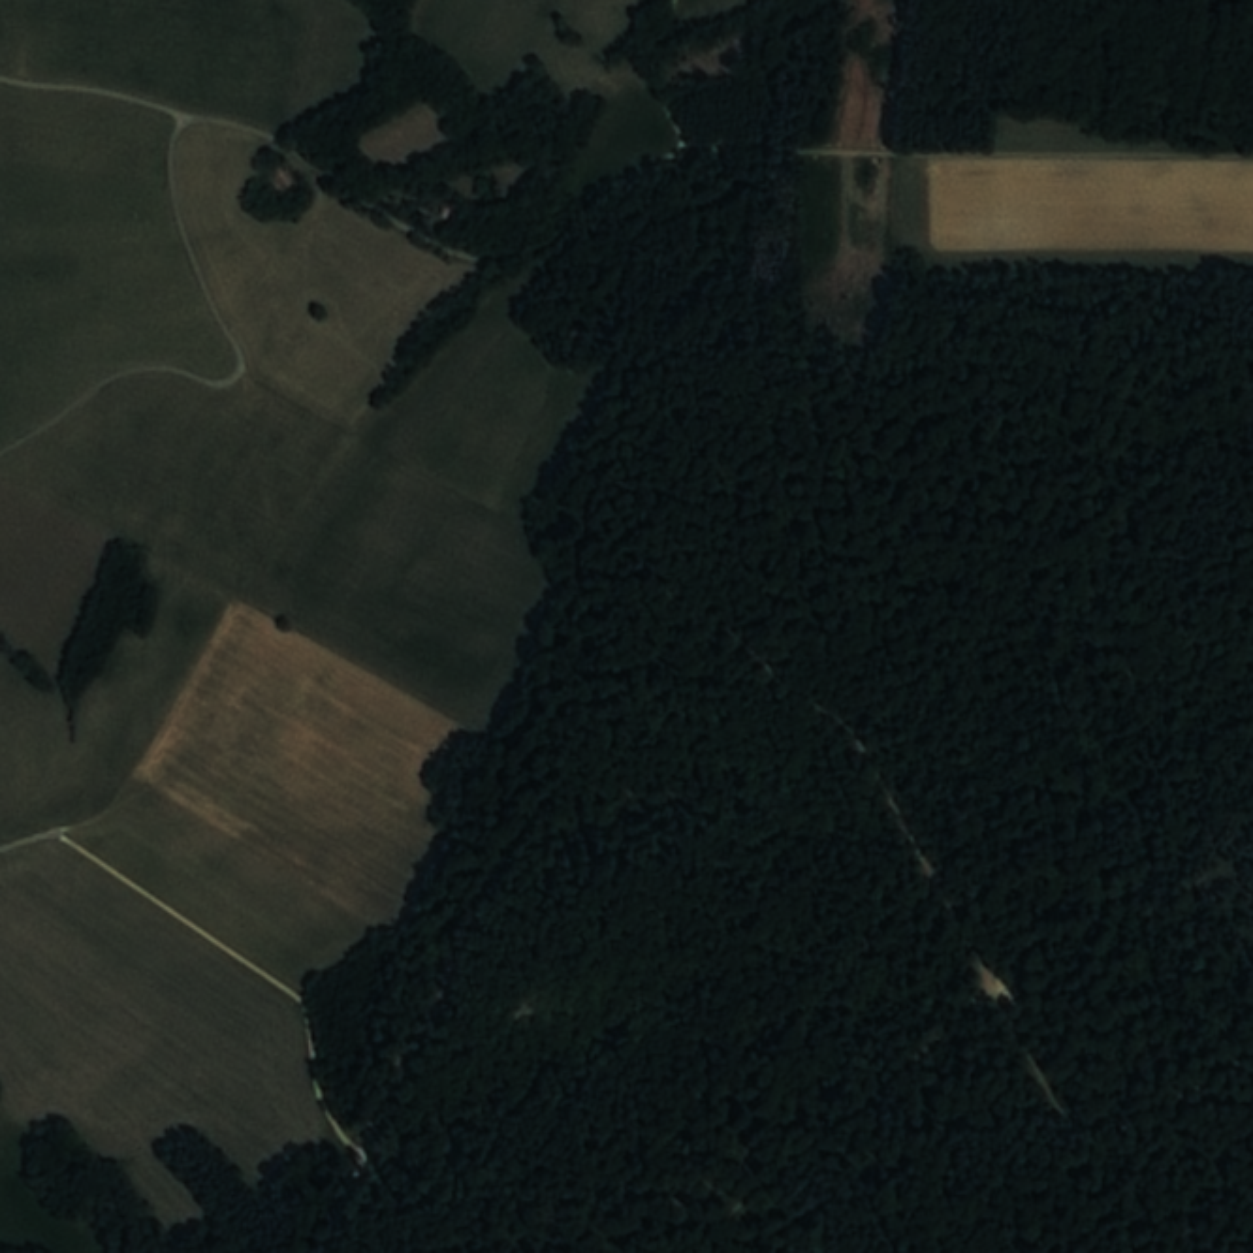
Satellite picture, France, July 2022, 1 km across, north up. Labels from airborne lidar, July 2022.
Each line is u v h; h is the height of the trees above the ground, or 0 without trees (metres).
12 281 0
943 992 13
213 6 0
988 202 0
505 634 0
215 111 0
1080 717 24
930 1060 26
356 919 0
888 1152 29
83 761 0
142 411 0
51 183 0
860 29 7
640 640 24
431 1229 23
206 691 0
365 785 0
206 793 0
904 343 23
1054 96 24
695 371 27
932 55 20
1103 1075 28
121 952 0
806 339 26
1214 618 25
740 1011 27
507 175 0
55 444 0
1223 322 27
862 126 0
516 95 15
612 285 24
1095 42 18
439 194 19
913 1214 29
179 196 0
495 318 0
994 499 8
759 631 22
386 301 0
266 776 0
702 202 25
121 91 0
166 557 0
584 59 0
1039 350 17
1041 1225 24
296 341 0
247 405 0
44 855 0
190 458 0
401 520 0
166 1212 0
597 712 29
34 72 0
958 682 21
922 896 21
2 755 0
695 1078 25
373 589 0
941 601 25
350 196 13
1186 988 30
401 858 0
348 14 0
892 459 28
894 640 19
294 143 15
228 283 0
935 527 23
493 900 26
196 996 0
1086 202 0
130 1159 0
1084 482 24
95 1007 0
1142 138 24
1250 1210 31
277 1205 26
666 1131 29
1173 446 9
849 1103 32
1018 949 17
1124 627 27
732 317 28
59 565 0
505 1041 15
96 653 16
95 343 0
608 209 28
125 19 0
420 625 0
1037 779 7
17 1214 0
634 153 0
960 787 10
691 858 18
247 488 0
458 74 21
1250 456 20
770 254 26
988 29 14
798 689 21
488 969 22
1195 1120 27
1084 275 20
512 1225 25
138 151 0
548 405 0
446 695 0
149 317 0
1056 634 26
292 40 0
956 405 27
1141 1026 26
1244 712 14
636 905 19
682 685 23
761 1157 30
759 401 22
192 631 0
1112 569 9
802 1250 29
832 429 27
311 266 0
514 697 21
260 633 0
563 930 21
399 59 21
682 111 16
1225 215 0
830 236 0
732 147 14
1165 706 9
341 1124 14
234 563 0
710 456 23
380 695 0
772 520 29
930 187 0
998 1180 30
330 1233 30
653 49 20
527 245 17
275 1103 0
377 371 0
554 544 25
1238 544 26
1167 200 0
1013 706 10
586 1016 18
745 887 21
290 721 0
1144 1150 25
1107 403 26
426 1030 27
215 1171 27
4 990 0
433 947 25
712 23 15
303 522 0
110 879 0
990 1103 27
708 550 24
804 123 27
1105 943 23
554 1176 24
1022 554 23
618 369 23
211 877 0
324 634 0
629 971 11
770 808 21
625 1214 28
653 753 23
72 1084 0
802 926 20
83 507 0
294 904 0
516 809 30
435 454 0
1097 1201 29
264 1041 0
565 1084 25
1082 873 31
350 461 0
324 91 0
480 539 0
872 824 7
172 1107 0
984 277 25
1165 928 14
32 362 0
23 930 0
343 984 12
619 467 23
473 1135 29
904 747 23
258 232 0
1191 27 23
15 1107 0
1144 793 10
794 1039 30
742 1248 28
